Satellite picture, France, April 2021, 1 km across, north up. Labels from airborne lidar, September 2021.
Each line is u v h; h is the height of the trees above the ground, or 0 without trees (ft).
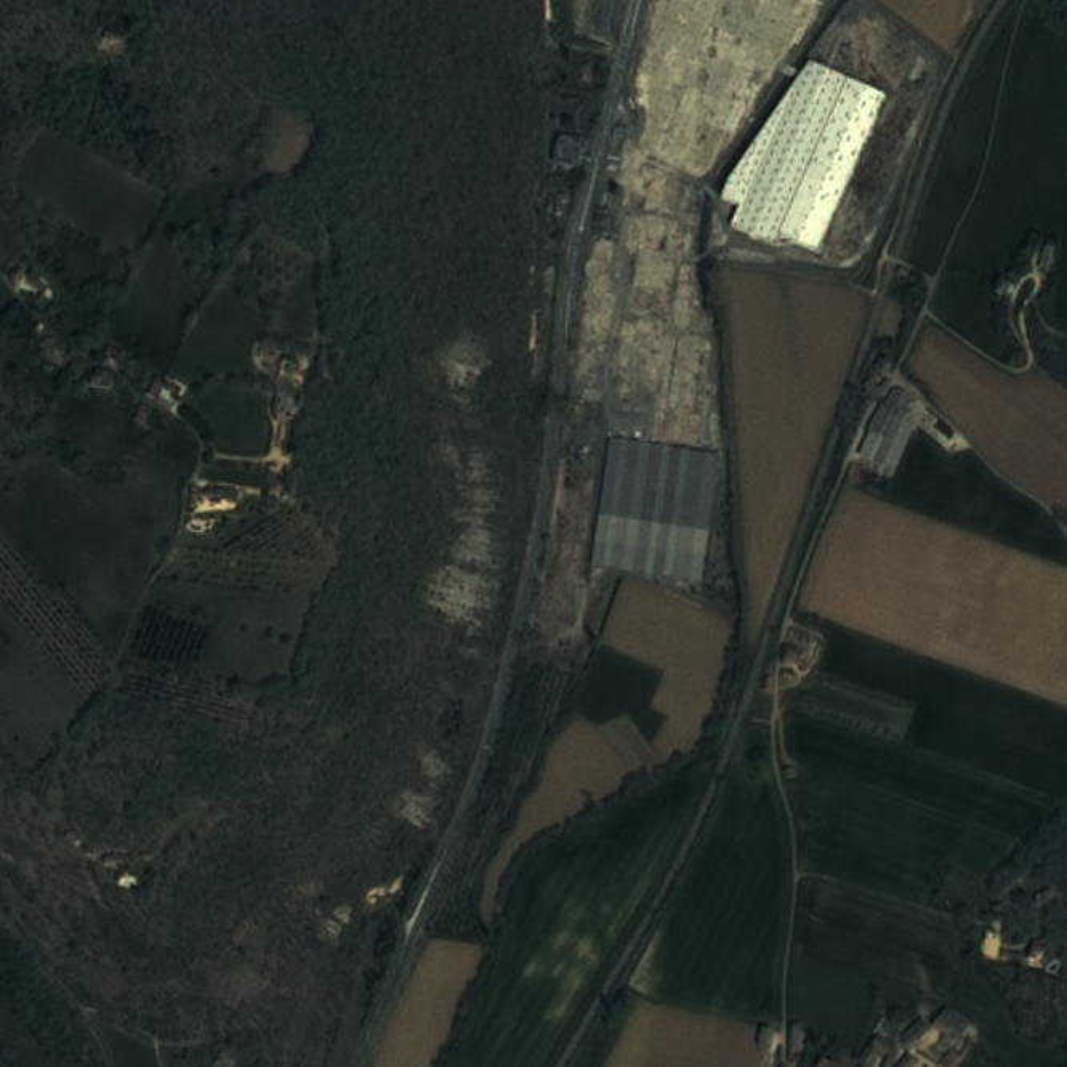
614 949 0
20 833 44
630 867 0
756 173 0
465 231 54
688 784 0
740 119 0
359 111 79
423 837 43
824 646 18
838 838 0
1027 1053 0
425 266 62
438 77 59
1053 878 52
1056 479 0
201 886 65
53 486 0
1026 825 0
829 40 0
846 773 0
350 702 48
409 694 34
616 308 0
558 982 0
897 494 0
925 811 0
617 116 0
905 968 0
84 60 66
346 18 61
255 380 38
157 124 32
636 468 0
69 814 47
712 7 0
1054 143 0
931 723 0
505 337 29
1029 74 0
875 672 0
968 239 0
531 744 73
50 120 35
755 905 0
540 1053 0
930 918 0
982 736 0
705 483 0
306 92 72
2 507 0
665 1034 0
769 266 0
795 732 0
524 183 29
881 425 0
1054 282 20
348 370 57
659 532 0
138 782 58
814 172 0
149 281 0
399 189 68
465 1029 46
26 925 46
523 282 43
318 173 79
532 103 54
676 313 0
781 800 0
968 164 0
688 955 0
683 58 0
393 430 60
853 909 0
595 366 0
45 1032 25
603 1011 25
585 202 0
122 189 0
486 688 23
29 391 23
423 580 32
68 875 42
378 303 65
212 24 60
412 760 39
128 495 0
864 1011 0
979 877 0
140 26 52
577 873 0
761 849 0
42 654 0
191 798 64
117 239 0
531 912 0
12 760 32
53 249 22
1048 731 0
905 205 0
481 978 23
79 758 47
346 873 38
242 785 43
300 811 58
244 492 28
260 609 0
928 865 0
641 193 0
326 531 29
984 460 0
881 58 0
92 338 47
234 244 55
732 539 33
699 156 0
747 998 0
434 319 48
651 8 0
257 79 65
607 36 0
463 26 37
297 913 30
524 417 31
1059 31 52
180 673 28
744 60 0
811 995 0
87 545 0
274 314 49
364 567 55
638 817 0
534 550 0
